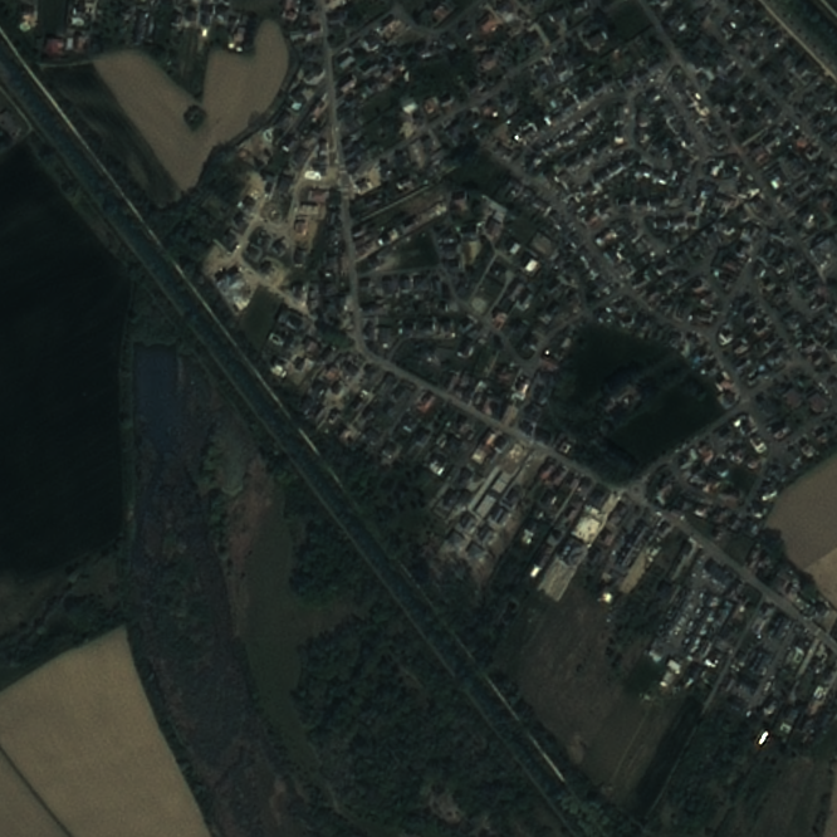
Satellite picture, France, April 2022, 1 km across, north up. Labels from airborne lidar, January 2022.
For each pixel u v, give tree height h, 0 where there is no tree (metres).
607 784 0
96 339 0
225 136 0
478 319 0
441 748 10
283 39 0
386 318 0
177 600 11
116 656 0
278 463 19
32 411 0
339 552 24
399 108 13
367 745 22
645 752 0
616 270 0
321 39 0
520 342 0
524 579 15
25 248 0
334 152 0
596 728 0
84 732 0
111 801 0
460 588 31
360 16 10
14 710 0
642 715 0
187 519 0
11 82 9
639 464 20
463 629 21
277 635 0
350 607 0
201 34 0
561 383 17
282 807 0
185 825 0
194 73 0
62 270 0
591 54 12
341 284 0
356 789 21
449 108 0
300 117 0
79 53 0
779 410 12
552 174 0
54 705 0
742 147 0
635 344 0
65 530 0
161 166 0
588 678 0
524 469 0
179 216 10
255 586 0
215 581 0
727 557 0
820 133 0
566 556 0
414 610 9
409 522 0
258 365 18
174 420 0
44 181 0
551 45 0
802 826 0
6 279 0
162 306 10
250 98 0
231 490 0
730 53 0
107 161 15
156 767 0
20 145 0
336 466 19
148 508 0
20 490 0
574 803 21
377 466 16
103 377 0
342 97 0
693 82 0
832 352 0
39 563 0
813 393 0
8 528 0
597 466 23
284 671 0
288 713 0
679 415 0
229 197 20
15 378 0
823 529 0
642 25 0
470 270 10
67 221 0
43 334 0
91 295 0
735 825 0
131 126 0
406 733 17
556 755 8
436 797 11
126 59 0
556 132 0
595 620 0
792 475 13
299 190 0
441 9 0
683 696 0
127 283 0
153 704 6
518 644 0
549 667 0
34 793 0
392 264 0
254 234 0
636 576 0
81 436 0
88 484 0
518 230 0
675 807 12
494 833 0
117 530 0
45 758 0
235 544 0
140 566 0
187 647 6
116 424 0
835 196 14
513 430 0
